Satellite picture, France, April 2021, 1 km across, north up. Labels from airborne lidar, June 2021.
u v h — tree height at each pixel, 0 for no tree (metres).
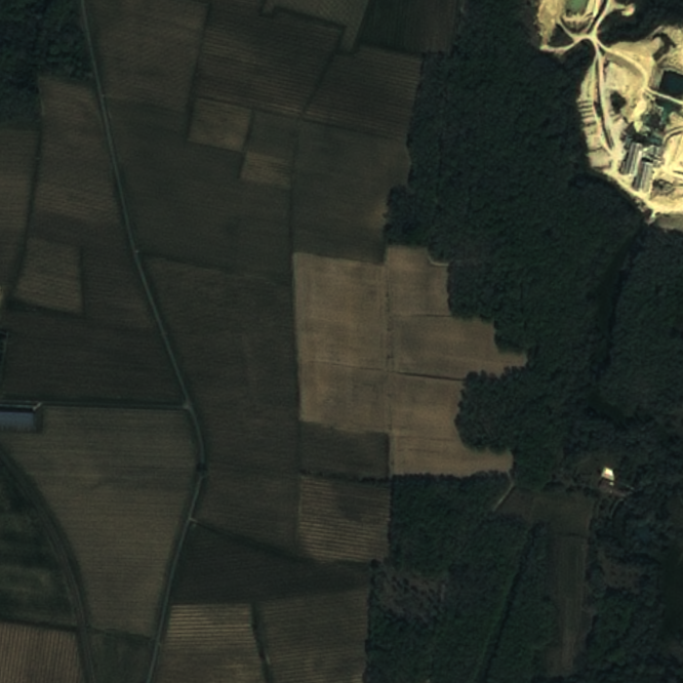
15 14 21
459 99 20
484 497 17
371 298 0
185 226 0
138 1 0
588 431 11
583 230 24
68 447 0
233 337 0
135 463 0
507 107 21
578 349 25
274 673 0
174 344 0
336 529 0
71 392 0
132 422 0
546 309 20
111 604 0
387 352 0
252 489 0
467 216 24
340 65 0
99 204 0
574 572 0
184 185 0
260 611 0
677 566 0
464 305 17
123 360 0
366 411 0
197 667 0
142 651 0
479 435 20
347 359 0
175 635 0
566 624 0
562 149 24
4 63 24
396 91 0
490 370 0
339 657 0
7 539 0
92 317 0
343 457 0
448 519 21
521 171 21
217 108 0
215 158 0
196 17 0
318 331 0
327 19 0
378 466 0
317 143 0
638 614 25
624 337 19
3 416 0
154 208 0
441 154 14
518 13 15
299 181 0
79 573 0
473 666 18
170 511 0
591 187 25
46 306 0
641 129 0
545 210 21
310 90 0
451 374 0
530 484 17
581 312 26
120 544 0
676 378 14
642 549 14
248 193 0
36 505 0
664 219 0
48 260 0
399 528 19
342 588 0
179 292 0
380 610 23
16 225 0
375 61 0
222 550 0
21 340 0
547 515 0
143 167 0
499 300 21
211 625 0
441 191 20
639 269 18
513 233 16
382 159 0
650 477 17
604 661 17
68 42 17
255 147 0
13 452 0
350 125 0
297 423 0
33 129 0
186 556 0
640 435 18
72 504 0
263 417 0
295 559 0
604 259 21
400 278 0
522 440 19
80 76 7
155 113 0
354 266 0
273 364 0
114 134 0
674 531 15
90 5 0
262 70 0
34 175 0
